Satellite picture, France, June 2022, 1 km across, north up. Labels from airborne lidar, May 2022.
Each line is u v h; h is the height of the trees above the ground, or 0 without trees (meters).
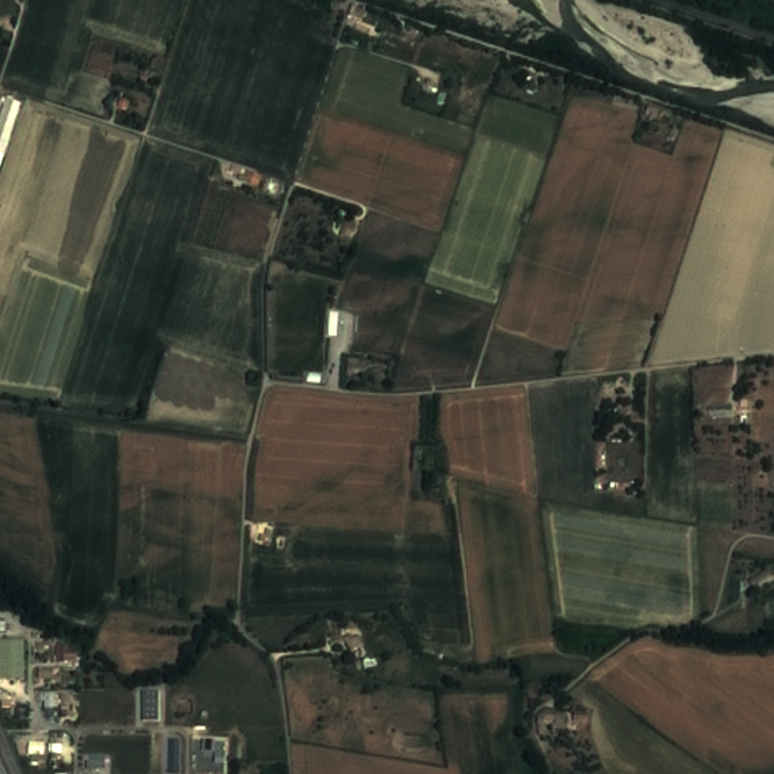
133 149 0
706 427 12
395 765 0
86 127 0
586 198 0
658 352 0
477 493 0
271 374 6
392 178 0
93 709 0
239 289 0
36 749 0
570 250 0
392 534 0
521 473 0
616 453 0
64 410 0
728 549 0
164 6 0
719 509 0
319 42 0
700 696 0
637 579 0
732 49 8
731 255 0
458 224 0
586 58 19
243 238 0
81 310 0
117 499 0
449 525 0
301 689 0
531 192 0
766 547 0
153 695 0
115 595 0
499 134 0
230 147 0
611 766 0
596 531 0
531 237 0
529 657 0
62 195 0
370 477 0
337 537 0
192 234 0
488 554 0
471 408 0
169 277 0
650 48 0
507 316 0
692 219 0
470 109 0
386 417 0
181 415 0
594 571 0
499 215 0
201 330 0
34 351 0
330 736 0
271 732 0
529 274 0
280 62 0
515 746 0
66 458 0
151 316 0
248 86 0
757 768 0
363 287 0
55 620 7
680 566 0
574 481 0
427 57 0
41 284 0
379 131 0
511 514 0
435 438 8
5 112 0
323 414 0
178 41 0
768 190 0
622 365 0
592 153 0
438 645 0
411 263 0
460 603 0
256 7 0
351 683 0
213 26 0
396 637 0
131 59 8
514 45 9
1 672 0
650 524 0
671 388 0
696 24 9
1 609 13
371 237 0
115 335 0
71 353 0
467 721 0
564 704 9
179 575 0
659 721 0
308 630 8
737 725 0
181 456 0
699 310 0
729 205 0
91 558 0
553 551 0
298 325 0
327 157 0
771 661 0
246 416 0
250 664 0
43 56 0
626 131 0
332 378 0
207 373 0
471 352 0
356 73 0
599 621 0
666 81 0
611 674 0
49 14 0
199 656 12
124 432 0
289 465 0
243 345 0
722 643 21
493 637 0
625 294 0
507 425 0
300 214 6
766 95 0
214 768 0
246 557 0
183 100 0
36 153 0
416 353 0
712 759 0
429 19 8
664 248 0
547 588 0
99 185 0
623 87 14
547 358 0
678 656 0
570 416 0
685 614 0
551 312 0
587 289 0
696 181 0
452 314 0
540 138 0
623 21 0
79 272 0
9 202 0
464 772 0
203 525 0
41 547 0
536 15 0
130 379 0
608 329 0
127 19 0
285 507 0
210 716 0
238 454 0
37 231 0
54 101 0
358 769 0
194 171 0
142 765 0
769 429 0
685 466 0
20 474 0
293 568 0
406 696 0
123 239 0
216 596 0
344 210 8
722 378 0
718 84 0
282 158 0
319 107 0
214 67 0
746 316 0
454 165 0
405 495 0
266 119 0
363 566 0
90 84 0
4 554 0
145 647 0
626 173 0
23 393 0
